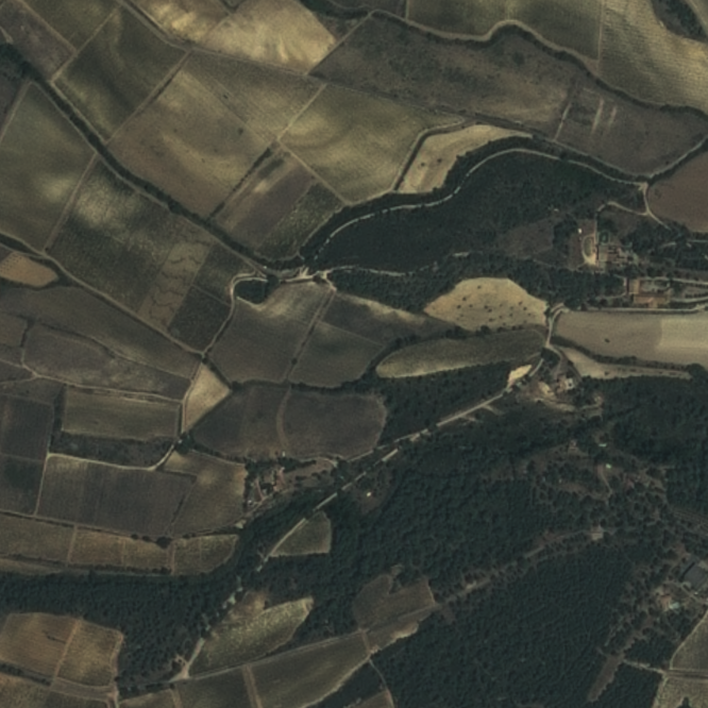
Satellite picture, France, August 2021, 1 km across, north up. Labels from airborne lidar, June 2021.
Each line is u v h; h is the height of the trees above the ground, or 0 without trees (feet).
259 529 39
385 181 0
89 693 0
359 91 0
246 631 0
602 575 22
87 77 0
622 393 37
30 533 0
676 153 0
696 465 32
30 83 0
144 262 0
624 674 27
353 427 0
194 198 0
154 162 0
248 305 0
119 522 0
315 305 0
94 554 0
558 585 21
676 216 0
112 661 0
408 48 0
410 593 0
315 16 0
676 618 29
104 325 0
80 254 0
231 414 0
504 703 31
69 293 0
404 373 0
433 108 0
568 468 20
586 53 0
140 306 0
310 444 0
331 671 0
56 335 0
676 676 0
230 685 0
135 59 0
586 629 23
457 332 29
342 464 33
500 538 41
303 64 0
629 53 0
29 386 0
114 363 0
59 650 0
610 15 0
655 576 30
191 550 0
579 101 0
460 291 0
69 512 0
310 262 36
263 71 0
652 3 0
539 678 33
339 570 31
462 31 0
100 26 0
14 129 0
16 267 0
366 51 0
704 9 0
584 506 37
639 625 31
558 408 0
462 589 36
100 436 0
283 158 0
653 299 0
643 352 0
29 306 0
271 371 0
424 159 0
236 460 22
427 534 39
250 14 0
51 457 0
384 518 37
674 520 44
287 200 0
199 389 0
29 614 0
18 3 0
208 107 0
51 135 0
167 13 0
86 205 0
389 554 33
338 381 0
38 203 0
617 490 32
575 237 0
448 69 0
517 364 0
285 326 0
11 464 0
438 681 34
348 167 0
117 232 0
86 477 0
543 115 0
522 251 0
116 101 0
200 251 0
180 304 0
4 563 0
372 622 0
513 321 0
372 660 22
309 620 25
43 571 0
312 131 0
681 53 0
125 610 28
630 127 0
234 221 0
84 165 0
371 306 0
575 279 37
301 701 0
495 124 0
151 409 0
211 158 0
